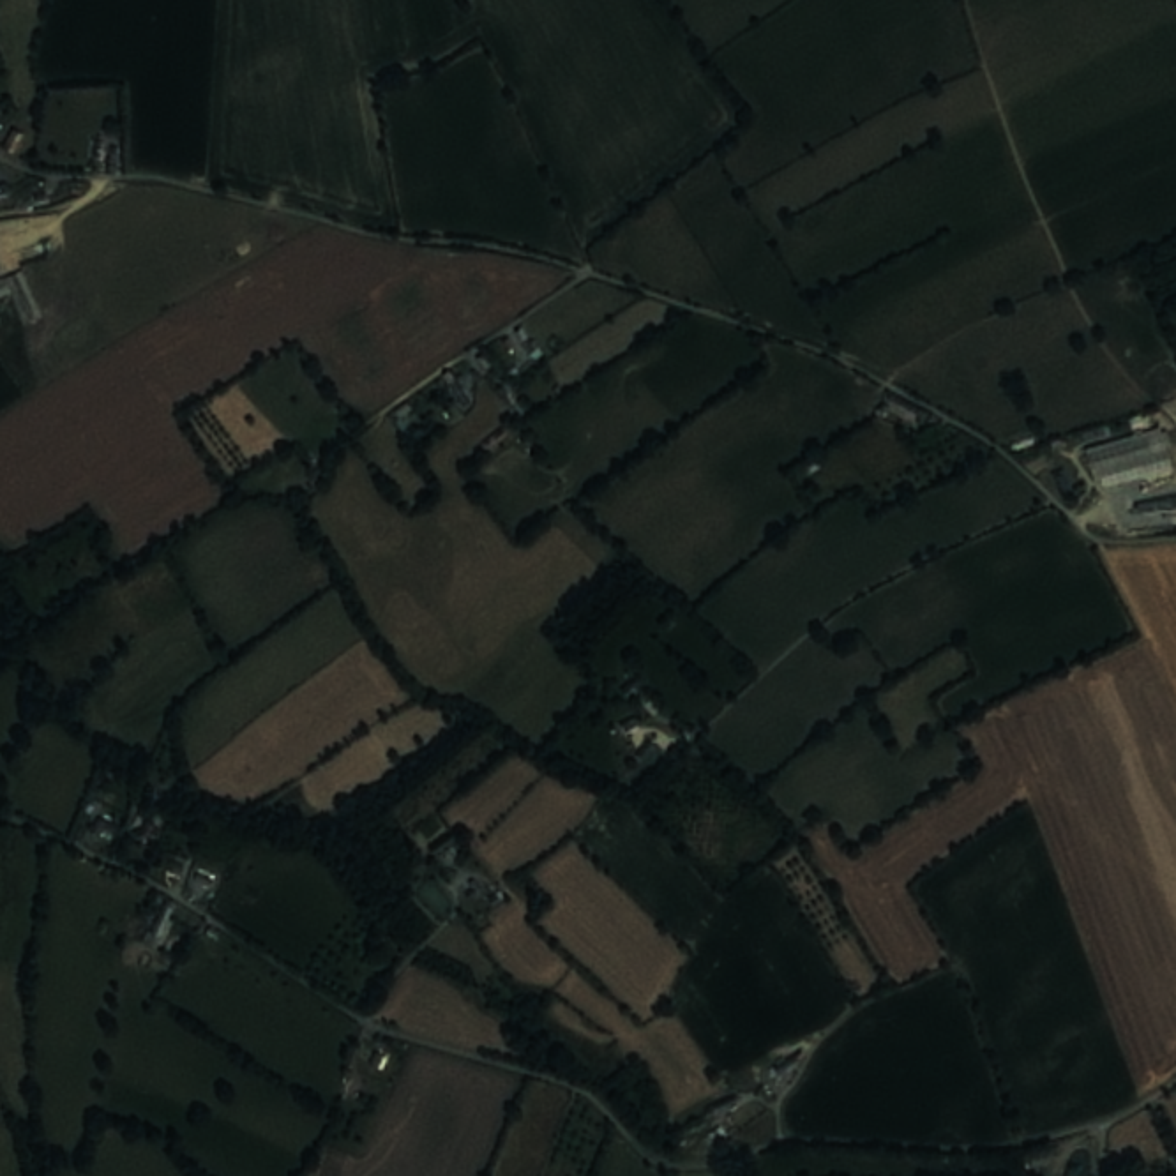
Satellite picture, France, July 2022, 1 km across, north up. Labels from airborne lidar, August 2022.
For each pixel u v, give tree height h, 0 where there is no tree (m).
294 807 0
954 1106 0
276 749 0
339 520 0
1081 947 0
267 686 0
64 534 6
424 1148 0
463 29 0
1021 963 0
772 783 11
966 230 0
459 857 7
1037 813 0
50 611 8
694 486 0
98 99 0
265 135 0
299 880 0
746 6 0
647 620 0
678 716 7
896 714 0
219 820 21
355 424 15
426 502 17
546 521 13
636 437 0
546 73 0
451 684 0
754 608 0
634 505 0
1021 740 0
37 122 11
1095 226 0
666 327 9
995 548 0
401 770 8
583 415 0
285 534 0
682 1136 12
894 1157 11
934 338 0
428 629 0
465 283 0
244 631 0
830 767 0
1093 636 0
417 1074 0
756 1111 0
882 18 0
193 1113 10
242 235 0
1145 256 11
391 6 0
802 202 0
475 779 13
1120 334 0
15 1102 0
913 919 0
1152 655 0
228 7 0
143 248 0
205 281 0
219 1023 0
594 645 13
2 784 19
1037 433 9
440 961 8
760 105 0
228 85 0
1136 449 0
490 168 0
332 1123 8
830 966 6
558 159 0
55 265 0
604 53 0
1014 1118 16
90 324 0
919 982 10
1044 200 0
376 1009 16
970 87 0
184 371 0
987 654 0
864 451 0
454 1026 0
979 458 16
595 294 0
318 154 0
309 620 0
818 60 0
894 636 0
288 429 0
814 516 13
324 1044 0
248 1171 0
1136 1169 19
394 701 0
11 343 0
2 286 0
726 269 0
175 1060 0
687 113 0
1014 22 0
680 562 0
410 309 0
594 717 13
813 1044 0
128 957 0
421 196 0
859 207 0
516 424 14
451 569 0
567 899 0
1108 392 0
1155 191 0
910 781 0
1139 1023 0
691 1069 0
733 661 11
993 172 0
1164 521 0
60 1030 0
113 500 0
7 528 0
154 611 0
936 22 0
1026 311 0
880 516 12
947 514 0
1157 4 0
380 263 0
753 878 17
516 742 14
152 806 18
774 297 0
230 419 0
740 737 0
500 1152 6
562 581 0
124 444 0
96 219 0
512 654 0
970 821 0
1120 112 0
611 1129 9
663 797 6
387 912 17
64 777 0
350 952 10
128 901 0
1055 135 0
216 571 0
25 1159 12
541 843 0
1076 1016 0
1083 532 0
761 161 0
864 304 0
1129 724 0
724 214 0
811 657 0
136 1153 0
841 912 9
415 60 0
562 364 0
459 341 0
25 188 0
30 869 0
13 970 0
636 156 0
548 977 0
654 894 0
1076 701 0
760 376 15
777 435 0
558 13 0
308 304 0
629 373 0
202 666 0
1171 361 0
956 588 0
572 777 18
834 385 0
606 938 0
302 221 0
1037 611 0
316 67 0
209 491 0
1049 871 0
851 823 0
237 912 0
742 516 0
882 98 0
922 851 0
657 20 0
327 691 0
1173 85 0
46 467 0
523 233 0
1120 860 0
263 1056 0
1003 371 0
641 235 0
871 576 0
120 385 0
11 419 0
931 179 0
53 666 0
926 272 0
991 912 0
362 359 0
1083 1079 0
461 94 0
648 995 0
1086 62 0
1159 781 0
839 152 0
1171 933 0
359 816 12
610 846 0
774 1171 0
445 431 10
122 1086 0
